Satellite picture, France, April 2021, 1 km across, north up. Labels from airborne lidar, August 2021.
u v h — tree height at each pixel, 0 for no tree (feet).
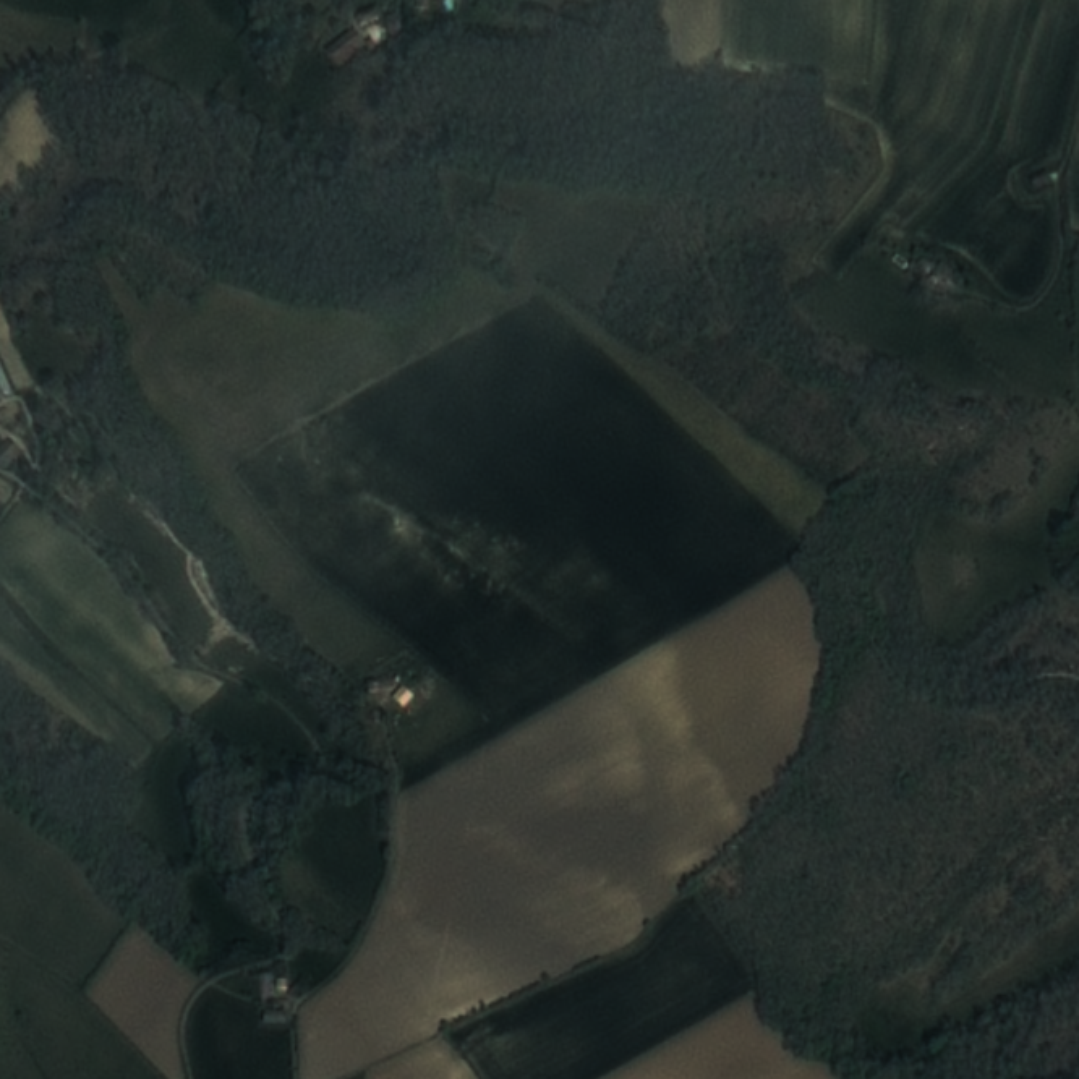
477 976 0
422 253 71
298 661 34
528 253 0
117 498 0
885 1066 42
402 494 0
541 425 0
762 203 25
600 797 0
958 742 35
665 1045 0
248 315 0
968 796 36
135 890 54
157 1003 0
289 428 0
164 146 50
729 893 31
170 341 0
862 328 0
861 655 35
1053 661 21
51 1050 0
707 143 45
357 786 20
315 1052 0
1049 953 0
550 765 0
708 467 0
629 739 0
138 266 24
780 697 0
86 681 0
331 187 58
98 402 75
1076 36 0
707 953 0
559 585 0
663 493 0
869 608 46
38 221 0
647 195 27
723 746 0
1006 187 0
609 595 0
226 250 52
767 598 0
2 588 0
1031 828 26
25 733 32
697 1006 0
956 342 0
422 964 0
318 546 0
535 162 57
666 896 0
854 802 43
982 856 37
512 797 0
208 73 0
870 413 31
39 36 0
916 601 47
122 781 84
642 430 0
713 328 50
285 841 38
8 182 0
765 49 0
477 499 0
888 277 0
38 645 0
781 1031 55
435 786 0
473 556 0
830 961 38
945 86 0
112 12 0
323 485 0
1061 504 0
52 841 28
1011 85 0
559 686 0
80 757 59
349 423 0
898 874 40
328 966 0
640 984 0
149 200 34
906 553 47
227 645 0
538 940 0
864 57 0
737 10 0
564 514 0
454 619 0
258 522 0
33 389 0
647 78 57
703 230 26
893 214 0
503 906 0
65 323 47
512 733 0
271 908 48
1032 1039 49
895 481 54
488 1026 0
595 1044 0
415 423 0
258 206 61
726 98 24
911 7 0
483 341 0
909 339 0
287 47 54
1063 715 30
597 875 0
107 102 67
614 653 0
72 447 60
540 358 0
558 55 68
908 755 40
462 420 0
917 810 46
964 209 0
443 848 0
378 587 0
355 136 52
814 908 48
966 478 23
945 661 48
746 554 0
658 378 0
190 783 37
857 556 51
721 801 0
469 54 70
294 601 0
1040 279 0
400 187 53
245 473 0
